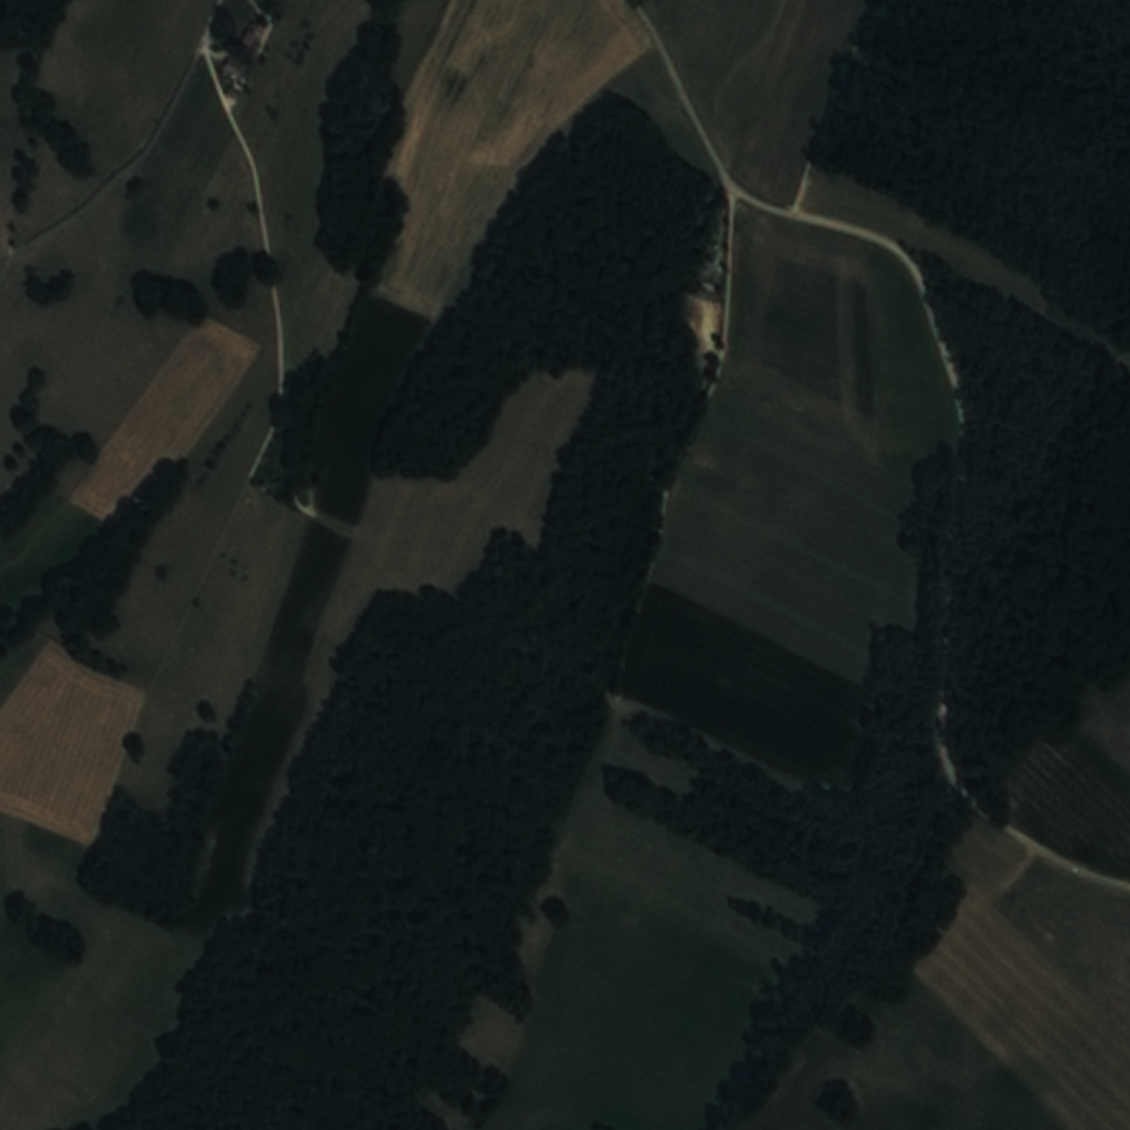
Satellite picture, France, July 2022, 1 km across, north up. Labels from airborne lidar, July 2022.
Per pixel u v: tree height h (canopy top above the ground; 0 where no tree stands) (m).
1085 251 21
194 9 0
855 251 0
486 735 19
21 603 0
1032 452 27
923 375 0
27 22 13
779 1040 23
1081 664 31
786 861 24
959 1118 0
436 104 0
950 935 0
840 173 9
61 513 0
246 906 0
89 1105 0
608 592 18
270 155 0
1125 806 0
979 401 20
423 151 0
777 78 0
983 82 24
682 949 0
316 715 0
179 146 0
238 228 0
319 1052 22
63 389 0
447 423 26
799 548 0
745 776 21
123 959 0
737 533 0
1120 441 33
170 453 0
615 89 0
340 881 20
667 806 15
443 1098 14
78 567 15
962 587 28
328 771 17
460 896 22
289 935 18
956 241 0
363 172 26
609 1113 0
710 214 17
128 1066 0
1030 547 12
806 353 0
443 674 18
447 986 18
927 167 21
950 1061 0
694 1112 0
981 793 17
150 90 0
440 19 0
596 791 0
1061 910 0
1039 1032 0
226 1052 15
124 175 0
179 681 0
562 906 18
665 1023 0
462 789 21
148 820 22
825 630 0
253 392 0
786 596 0
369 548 0
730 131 0
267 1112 16
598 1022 0
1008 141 25
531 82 0
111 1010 0
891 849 24
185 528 0
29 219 0
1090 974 0
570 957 0
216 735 14
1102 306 23
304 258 0
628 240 19
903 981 15
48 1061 0
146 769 0
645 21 0
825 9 0
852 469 0
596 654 15
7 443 0
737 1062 0
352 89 24
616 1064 0
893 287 0
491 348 20
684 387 20
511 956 24
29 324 0
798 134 0
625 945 0
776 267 0
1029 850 0
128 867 21
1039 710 29
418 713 19
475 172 0
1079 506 29
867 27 15
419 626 20
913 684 24
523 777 18
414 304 0
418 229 0
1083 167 21
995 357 25
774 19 0
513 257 21
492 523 0
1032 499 10
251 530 0
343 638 0
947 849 18
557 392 0
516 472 0
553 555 17
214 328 0
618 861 0
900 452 0
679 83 0
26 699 0
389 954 18
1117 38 20
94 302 0
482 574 8
